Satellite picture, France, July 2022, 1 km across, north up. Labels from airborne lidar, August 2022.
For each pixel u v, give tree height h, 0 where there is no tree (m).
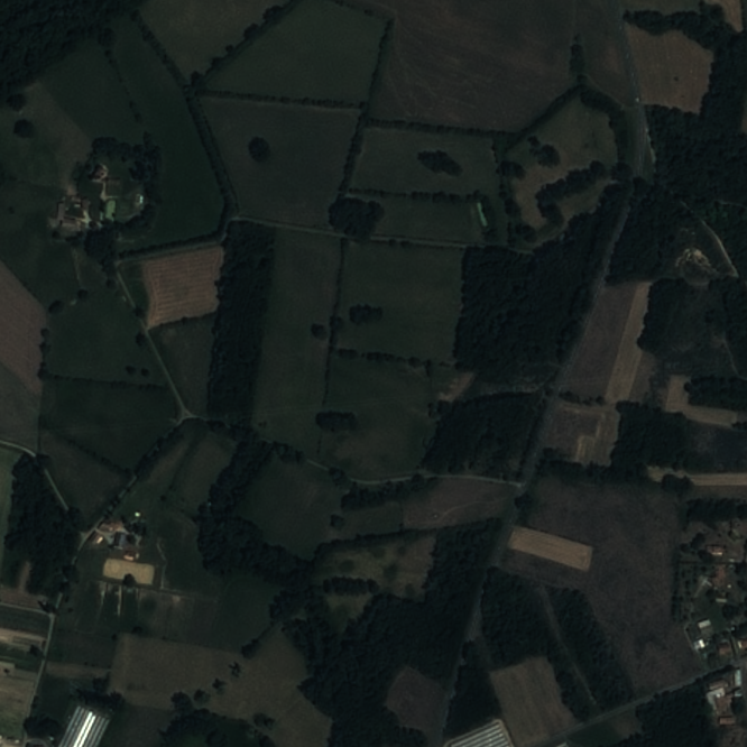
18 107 21
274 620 11
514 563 0
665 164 12
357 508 14
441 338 0
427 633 18
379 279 0
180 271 0
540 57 0
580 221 19
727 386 14
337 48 0
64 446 0
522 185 0
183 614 0
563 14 0
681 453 14
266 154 17
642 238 19
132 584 14
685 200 16
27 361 0
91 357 0
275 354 0
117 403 0
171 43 0
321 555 11
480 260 19
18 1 8
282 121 0
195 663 0
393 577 0
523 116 0
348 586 23
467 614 13
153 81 0
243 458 20
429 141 0
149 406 0
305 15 0
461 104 0
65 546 18
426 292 0
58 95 0
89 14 19
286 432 0
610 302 0
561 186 17
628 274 16
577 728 0
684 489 16
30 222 0
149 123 0
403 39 0
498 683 0
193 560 0
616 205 18
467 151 0
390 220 0
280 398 0
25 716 0
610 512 0
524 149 0
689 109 0
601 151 0
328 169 0
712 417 0
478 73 0
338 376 0
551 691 0
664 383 0
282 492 0
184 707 19
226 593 0
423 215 0
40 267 0
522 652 21
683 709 15
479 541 15
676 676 0
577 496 0
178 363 0
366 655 25
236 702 0
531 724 0
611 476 23
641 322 0
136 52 0
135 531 14
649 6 0
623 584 0
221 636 0
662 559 0
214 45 0
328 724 0
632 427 12
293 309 0
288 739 0
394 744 16
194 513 0
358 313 19
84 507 0
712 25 9
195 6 0
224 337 18
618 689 12
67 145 0
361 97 0
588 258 7
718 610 0
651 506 0
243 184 0
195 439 0
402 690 0
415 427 0
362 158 0
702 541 14
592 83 0
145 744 0
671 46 0
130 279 0
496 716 7
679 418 15
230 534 28
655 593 0
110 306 0
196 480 0
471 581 16
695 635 0
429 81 0
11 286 0
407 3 0
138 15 10
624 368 0
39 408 0
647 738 9
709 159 20
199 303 0
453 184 0
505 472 9
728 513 14
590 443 0
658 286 13
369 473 0
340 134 0
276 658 0
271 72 0
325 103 7
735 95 19
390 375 0
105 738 0
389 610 19
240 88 0
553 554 0
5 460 0
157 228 0
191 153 0
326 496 0
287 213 0
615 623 0
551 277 22
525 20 0
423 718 0
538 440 11
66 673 0
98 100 0
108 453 0
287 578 33
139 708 0
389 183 0
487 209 11
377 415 0
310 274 0
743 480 0
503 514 0
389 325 0
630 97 0
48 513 25
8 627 0
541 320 20
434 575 19
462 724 12
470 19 0
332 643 23
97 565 0
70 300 0
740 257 7
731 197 10
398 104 0
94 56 0
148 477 9
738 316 13
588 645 9
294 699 0
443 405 14
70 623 0
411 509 0
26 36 23
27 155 0
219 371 21
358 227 20
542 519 0
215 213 0
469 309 12
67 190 0
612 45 0
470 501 0
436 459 17
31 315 0
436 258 0
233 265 9
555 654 14
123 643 0
